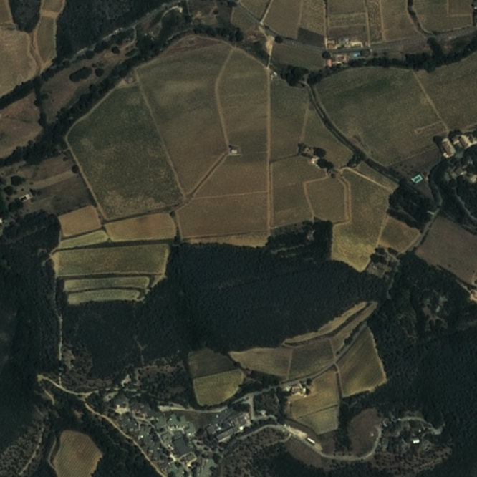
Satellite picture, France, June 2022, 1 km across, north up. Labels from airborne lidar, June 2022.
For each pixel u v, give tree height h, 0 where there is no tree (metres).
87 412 13
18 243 7
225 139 0
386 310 18
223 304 10
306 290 10
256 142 0
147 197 0
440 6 0
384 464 8
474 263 0
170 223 0
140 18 10
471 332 12
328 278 10
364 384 0
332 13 0
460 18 0
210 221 0
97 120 0
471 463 5
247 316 6
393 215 9
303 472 6
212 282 12
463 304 8
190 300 14
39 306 13
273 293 10
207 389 0
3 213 22
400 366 15
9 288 8
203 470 0
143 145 0
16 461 13
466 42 0
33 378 14
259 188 0
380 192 0
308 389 10
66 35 7
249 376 7
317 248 13
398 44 0
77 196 0
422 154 0
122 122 0
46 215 14
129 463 15
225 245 14
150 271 0
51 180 0
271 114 0
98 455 0
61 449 0
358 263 0
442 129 0
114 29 6
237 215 0
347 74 0
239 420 0
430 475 7
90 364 7
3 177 13
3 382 9
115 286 0
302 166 0
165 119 0
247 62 0
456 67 0
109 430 11
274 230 0
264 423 12
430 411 13
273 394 7
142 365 7
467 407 10
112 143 0
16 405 8
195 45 0
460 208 8
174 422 0
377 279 13
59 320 12
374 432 0
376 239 0
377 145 0
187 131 0
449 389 7
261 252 16
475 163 11
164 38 7
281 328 6
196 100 0
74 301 0
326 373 0
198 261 10
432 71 21
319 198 0
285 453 6
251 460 6
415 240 0
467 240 0
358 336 0
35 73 0
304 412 0
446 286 15
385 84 0
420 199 7
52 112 0
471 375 6
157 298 11
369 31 0
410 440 16
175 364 6
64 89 0
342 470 8
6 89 0
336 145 0
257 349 0
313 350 0
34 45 0
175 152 0
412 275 11
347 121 0
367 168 0
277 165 0
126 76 13
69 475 0
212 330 9
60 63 13
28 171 0
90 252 0
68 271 0
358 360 0
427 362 11
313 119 0
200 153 0
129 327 11
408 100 0
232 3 10
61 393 7
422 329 7
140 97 0
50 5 0
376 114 0
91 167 0
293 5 0
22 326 19
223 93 0
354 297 10
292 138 0
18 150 11
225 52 0
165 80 0
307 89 0
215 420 0
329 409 0
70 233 0
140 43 12
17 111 0
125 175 0
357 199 0
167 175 0
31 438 6
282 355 0
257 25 0
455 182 12
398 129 0
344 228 0
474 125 0
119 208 0
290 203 0
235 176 0
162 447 7
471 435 15
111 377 6
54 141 13
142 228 0
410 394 8
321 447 0
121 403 0
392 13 0
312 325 6
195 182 0
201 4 0
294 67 11
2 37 0
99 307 6
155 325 13
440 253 0
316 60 0
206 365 0
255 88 0
